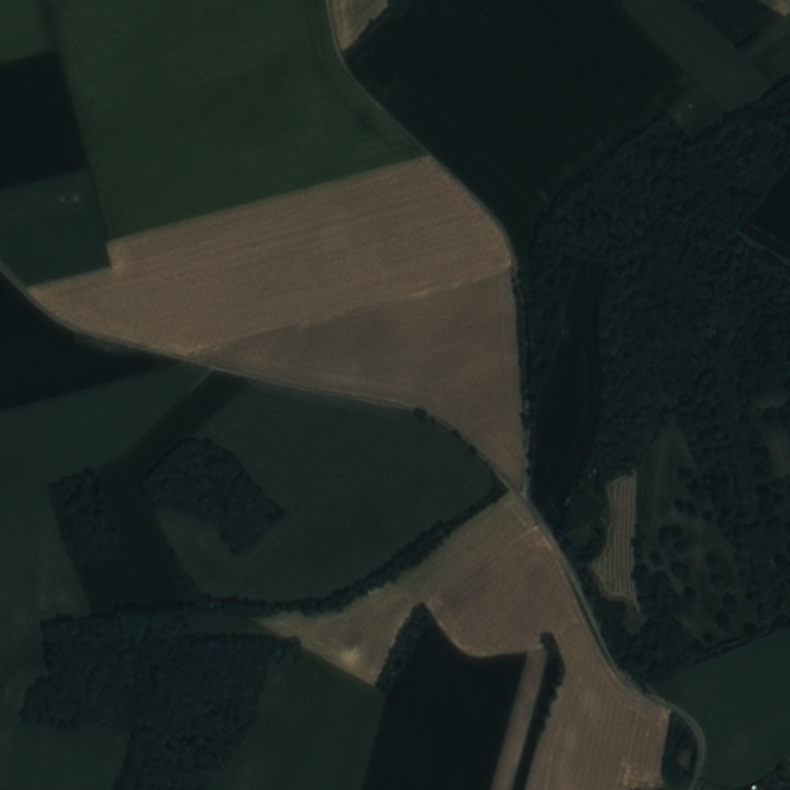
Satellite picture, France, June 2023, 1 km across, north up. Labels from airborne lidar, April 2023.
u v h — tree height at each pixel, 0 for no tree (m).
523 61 0
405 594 0
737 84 0
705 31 0
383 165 0
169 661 26
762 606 14
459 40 0
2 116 0
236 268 0
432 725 0
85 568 0
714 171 24
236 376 0
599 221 29
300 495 0
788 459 0
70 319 0
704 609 0
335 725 0
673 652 15
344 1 0
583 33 0
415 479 0
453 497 0
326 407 0
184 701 24
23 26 0
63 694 20
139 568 0
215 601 9
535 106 0
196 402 0
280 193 0
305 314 0
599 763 0
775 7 0
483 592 0
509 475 0
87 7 0
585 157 0
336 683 0
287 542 0
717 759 0
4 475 0
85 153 0
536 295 16
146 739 21
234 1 0
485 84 0
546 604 0
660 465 0
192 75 0
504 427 0
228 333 0
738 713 0
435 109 0
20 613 0
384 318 0
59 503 7
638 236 25
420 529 0
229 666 25
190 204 0
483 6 0
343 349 0
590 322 0
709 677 0
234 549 8
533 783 0
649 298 20
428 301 0
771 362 17
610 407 17
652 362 18
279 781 0
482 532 0
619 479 0
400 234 0
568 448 0
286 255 0
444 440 0
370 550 0
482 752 0
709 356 24
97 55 0
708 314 24
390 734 0
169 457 10
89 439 0
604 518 0
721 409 17
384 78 0
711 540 0
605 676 0
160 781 22
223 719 20
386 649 0
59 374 0
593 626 0
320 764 0
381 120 0
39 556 0
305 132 0
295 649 18
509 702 0
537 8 0
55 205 0
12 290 0
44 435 0
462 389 0
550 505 0
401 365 0
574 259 10
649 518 0
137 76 0
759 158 22
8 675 0
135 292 0
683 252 26
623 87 0
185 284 0
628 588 0
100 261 0
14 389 0
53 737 0
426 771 0
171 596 0
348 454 0
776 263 25
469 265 0
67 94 0
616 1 0
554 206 11
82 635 24
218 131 0
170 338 0
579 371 0
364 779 0
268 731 0
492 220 0
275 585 0
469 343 0
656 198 27
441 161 0
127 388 0
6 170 0
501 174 0
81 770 0
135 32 0
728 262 24
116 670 28
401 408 0
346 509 0
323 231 0
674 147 8
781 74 0
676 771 15
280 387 0
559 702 0
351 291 0
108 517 8
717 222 28
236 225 0
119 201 0
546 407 0
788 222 0
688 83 0
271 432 0
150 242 0
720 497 18
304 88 0
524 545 0
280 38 0
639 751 0
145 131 0
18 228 0
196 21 0
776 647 0
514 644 0
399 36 0
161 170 0
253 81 0
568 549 16
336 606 13
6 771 0
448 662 0
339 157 0
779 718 0
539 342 22
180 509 8
